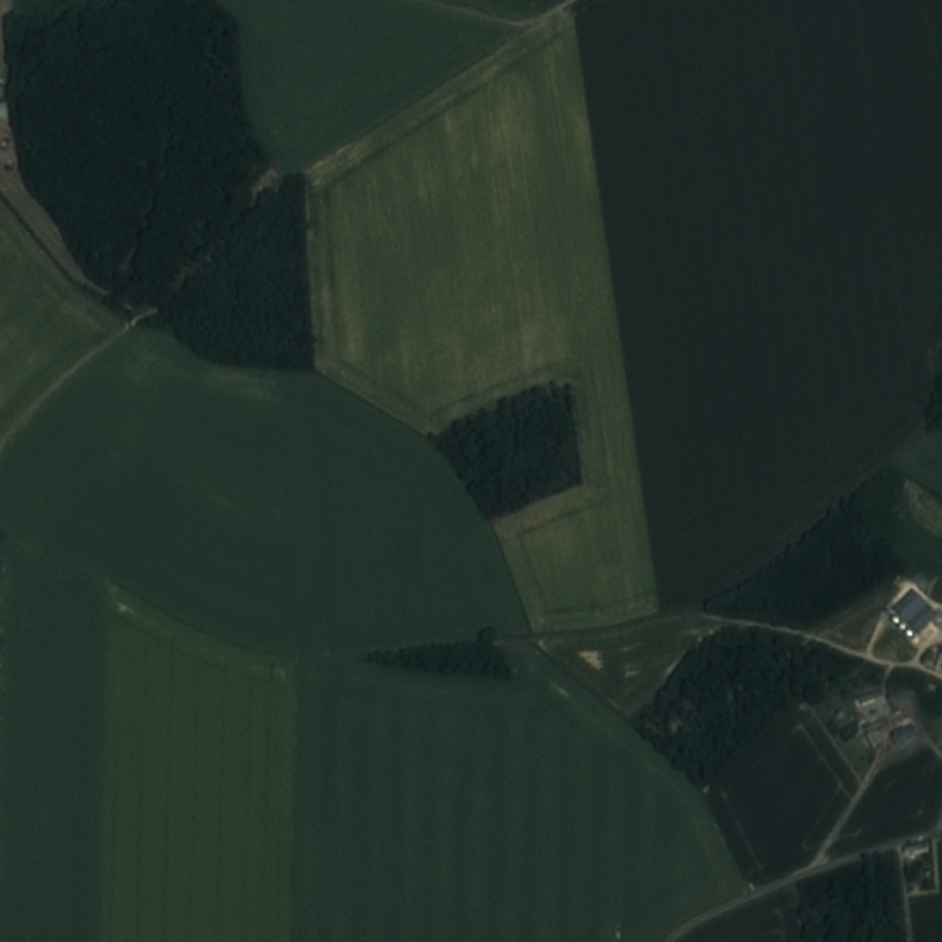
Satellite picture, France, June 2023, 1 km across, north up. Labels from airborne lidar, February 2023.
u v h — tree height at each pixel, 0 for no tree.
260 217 20
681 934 0
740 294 0
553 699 0
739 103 0
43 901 0
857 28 0
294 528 0
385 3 0
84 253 7
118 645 0
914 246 0
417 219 0
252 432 0
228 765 0
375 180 0
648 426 0
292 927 0
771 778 0
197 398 0
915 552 0
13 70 19
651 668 0
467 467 9
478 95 0
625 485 0
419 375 0
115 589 0
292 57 0
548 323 0
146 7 21
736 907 0
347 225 0
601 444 0
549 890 0
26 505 0
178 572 0
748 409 0
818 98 0
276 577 0
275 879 0
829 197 0
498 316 0
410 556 0
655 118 0
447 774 0
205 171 17
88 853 0
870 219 0
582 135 0
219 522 0
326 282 0
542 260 0
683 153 0
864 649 0
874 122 0
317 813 0
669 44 0
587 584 0
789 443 0
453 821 0
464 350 0
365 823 0
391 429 0
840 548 13
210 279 15
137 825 0
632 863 0
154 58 20
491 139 0
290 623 0
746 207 0
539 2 0
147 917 0
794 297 0
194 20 20
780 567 12
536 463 21
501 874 0
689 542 0
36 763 0
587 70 0
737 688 20
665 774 0
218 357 13
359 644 0
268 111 0
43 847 0
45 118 16
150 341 0
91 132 18
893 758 0
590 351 0
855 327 0
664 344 0
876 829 0
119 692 0
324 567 0
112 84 18
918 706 0
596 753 0
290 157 0
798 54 0
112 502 0
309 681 0
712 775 13
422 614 0
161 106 18
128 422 0
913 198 0
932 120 0
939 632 0
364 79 0
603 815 0
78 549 0
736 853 0
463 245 0
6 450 0
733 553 0
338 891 0
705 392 0
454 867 0
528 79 0
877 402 0
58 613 0
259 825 0
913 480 0
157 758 0
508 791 0
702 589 0
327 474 0
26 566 0
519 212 0
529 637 0
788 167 0
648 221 0
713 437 0
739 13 0
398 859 0
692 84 0
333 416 0
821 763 0
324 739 0
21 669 0
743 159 0
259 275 16
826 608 15
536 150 0
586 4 0
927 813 0
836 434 0
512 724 0
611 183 0
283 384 0
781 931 0
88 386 0
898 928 13
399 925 0
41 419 0
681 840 0
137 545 0
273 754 0
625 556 0
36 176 15
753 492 0
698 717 19
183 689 0
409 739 0
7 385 0
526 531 0
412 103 0
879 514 0
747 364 0
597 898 0
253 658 0
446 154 0
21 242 0
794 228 0
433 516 0
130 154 15
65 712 0
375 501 0
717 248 0
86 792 0
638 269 0
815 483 0
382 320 0
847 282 0
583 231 0
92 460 0
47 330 0
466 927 0
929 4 0
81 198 20
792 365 0
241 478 0
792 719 0
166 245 20
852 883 6
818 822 0
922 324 0
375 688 0
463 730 0
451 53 0
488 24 0
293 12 0
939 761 0
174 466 0
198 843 0
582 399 0
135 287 16
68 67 20
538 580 0
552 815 0
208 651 0
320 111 0
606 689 0
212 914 0
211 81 23
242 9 0
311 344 10
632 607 0
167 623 0
